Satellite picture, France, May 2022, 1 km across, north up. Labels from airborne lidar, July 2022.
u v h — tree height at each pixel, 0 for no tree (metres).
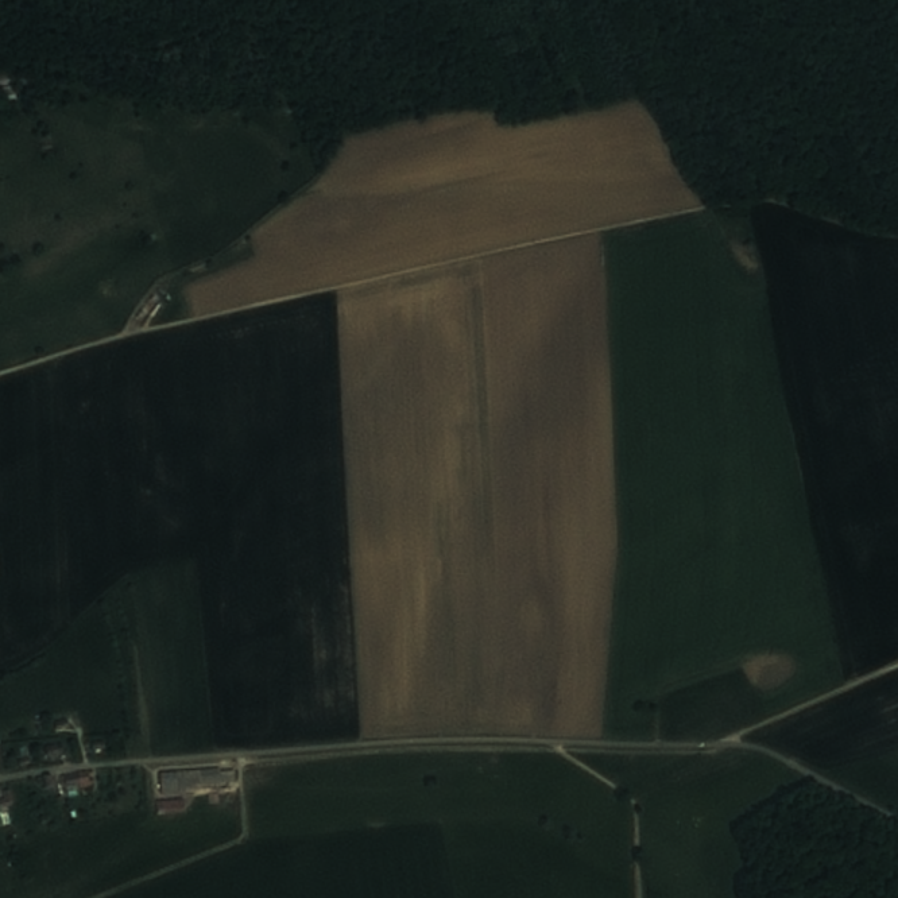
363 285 0
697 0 20
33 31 24
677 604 0
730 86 21
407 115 18
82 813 11
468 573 0
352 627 0
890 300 0
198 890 0
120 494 0
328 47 17
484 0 15
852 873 26
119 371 0
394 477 0
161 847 0
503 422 0
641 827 0
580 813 0
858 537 0
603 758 0
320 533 0
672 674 0
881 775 0
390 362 0
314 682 0
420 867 0
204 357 0
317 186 0
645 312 0
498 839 0
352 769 0
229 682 0
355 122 19
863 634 0
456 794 0
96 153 0
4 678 9
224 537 0
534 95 29
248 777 0
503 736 0
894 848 23
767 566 0
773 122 14
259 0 16
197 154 0
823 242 0
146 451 0
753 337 0
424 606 0
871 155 20
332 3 19
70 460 0
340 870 0
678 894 0
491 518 0
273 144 0
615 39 15
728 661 0
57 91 8
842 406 0
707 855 0
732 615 0
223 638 0
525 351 0
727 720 0
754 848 17
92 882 0
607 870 0
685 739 0
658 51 18
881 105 19
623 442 0
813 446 0
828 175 24
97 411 0
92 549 0
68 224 0
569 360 0
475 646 0
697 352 0
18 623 0
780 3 20
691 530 0
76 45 21
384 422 0
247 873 0
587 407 0
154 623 0
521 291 0
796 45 19
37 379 0
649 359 0
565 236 0
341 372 0
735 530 0
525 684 0
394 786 0
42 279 0
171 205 0
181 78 14
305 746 0
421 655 0
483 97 18
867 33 19
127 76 18
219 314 0
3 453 0
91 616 0
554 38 22
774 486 0
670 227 0
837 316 0
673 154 10
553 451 0
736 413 0
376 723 0
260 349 0
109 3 19
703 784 0
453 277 0
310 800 0
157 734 0
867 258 0
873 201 24
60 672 0
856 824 20
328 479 0
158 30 19
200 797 0
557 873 0
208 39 14
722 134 24
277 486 0
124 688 6
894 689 0
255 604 0
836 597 0
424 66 21
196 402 0
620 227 0
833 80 20
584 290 0
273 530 0
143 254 0
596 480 0
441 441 0
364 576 0
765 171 23
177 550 0
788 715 0
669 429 0
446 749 0
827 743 0
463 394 0
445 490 0
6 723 0
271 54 13
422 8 21
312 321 0
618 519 0
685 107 19
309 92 19
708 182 18
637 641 0
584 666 0
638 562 0
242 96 15
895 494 0
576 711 0
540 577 0
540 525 0
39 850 0
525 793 0
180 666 0
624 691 0
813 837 19
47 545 0
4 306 0
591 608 0
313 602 0
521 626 0
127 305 0
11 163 0
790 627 0
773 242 0
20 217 0
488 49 14
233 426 0
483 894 0
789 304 0
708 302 0
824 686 0
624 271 0
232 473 0
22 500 0
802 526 0
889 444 0
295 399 0
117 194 0
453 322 0
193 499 0
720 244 0
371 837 0
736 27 21
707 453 0
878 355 0
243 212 0
